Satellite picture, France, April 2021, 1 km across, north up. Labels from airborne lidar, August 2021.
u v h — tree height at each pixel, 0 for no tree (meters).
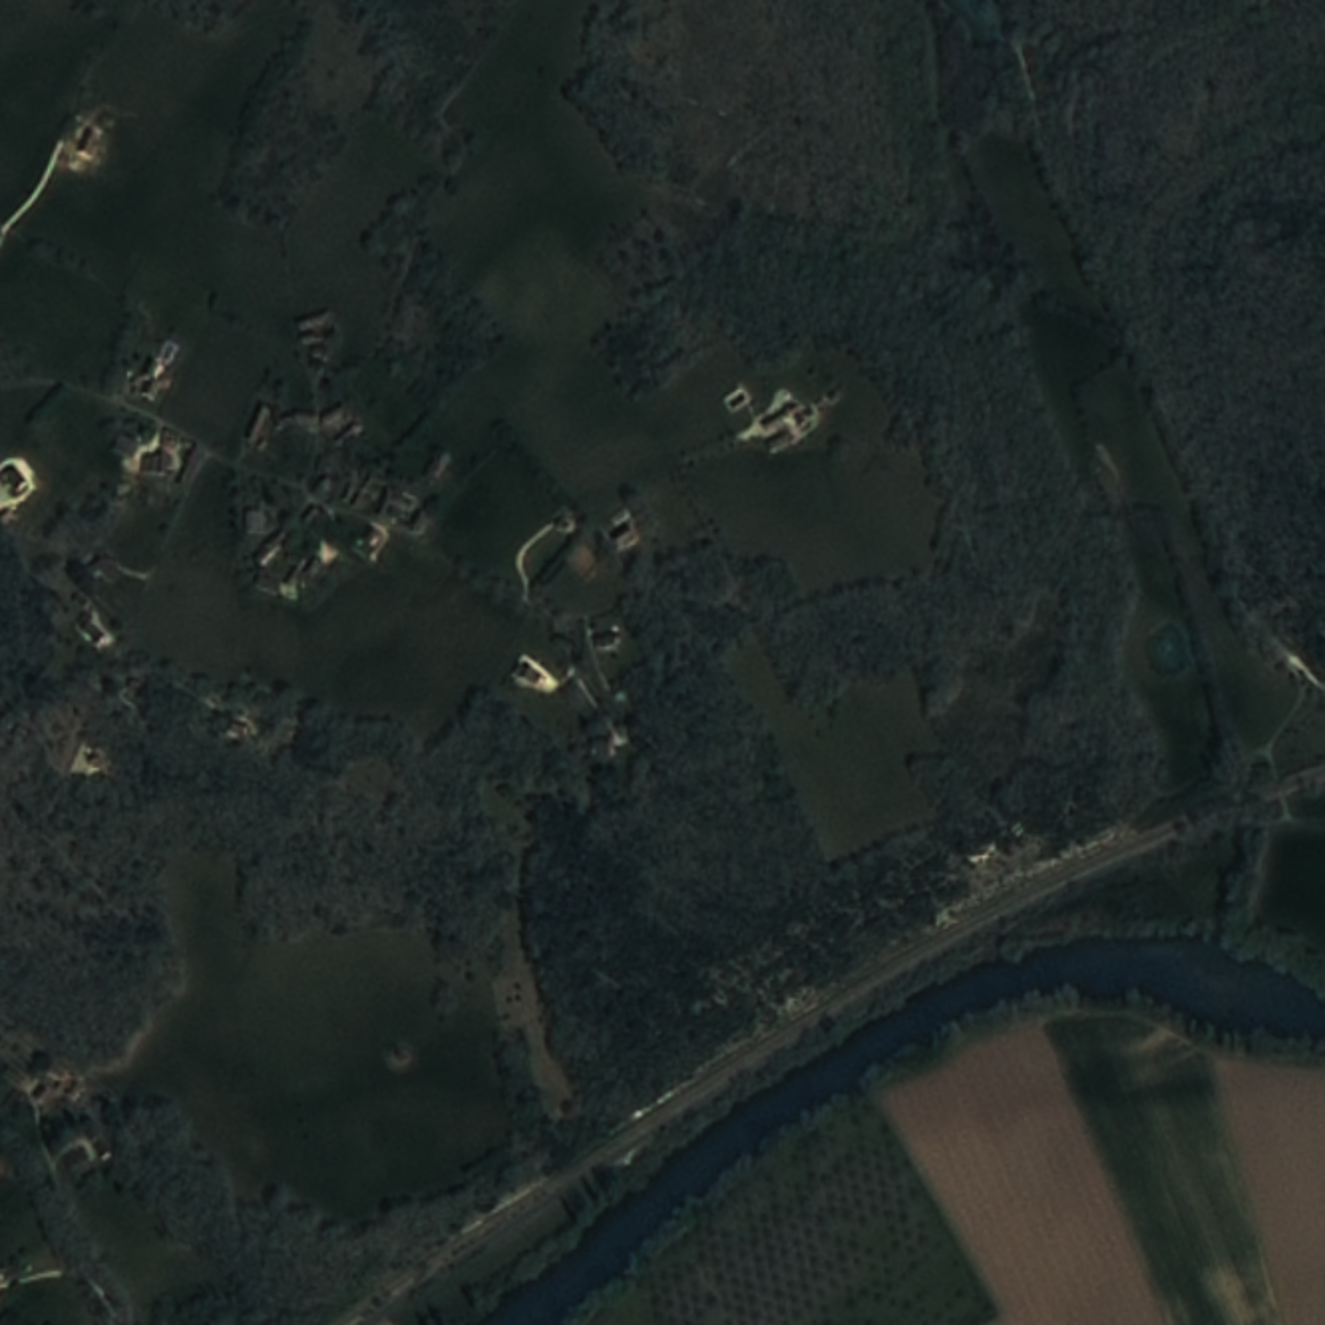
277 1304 18
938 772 11
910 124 15
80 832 11
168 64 0
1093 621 14
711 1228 13
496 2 0
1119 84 18
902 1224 12
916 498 0
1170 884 0
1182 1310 0
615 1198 34
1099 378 8
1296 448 11
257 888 16
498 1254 0
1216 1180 0
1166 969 0
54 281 0
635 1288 13
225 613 0
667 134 10
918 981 14
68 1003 17
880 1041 0
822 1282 12
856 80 12
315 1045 0
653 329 10
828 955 11
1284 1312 0
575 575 0
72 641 6
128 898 9
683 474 6
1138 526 15
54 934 14
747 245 19
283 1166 0
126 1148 17
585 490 0
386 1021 0
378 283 0
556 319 0
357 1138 0
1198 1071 0
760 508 0
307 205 0
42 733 11
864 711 0
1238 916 20
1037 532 21
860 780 0
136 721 11
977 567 12
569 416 0
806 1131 12
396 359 7
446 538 0
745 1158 15
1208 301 11
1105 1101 0
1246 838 18
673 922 13
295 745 8
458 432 0
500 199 0
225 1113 0
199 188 0
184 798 16
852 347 10
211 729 14
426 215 9
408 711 0
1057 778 13
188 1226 22
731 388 0
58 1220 15
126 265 0
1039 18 14
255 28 0
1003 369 25
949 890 7
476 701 15
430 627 0
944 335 17
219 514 0
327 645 0
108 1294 18
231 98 0
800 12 13
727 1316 11
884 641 0
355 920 14
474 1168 7
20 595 15
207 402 0
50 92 0
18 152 0
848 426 0
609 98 14
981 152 0
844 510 0
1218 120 13
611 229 0
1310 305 14
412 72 11
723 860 13
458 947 11
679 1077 8
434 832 15
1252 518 11
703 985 5
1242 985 0
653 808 15
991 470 18
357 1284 18
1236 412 11
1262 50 14
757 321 14
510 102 0
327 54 0
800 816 15
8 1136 20
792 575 12
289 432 13
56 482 0
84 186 0
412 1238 21
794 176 0
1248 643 18
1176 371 13
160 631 0
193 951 0
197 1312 20
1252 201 10
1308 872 0
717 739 15
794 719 0
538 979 7
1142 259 16
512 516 0
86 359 0
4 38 0
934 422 15
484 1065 0
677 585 17
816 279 20
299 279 0
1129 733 23
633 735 14
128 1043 23
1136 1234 0
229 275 0
